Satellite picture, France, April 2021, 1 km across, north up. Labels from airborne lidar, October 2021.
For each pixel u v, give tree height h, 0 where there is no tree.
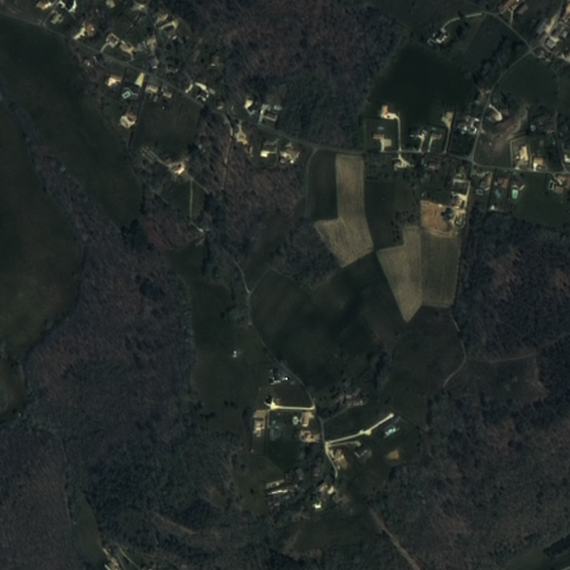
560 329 15
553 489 20
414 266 0
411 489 16
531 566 0
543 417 23
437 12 0
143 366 19
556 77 10
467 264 16
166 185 9
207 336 0
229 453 15
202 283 0
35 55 0
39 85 0
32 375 17
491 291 13
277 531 18
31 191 0
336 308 0
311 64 12
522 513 18
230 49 15
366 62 17
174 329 16
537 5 0
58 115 0
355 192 0
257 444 0
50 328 15
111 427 11
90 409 10
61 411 16
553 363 15
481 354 15
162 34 0
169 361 15
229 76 15
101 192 0
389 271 0
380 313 0
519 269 19
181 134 0
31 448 13
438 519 20
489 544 19
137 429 14
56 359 13
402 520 12
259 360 0
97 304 10
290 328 0
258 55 14
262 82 18
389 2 0
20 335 0
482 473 11
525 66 0
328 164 0
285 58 7
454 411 13
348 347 0
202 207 0
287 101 14
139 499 19
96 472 14
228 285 21
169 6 22
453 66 0
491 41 0
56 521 15
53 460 15
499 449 14
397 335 7
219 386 0
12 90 0
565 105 0
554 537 16
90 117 0
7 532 17
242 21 9
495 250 12
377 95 0
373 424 0
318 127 15
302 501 8
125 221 0
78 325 14
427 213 0
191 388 10
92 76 11
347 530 0
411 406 0
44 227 0
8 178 0
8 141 0
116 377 12
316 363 0
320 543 0
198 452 18
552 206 0
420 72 0
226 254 19
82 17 9
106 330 14
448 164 8
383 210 0
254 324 0
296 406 0
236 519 17
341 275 0
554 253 22
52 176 15
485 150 0
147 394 11
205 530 22
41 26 0
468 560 24
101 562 0
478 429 18
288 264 12
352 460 0
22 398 0
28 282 0
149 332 19
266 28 7
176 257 0
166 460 25
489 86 6
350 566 7
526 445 17
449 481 15
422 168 9
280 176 16
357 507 0
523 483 18
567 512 20
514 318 23
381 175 7
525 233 21
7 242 0
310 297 0
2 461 12
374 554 17
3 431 15
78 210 14
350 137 16
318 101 19
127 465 22
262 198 13
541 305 19
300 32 7
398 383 0
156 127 0
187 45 13
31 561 10
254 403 0
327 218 0
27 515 12
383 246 0
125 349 15
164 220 11
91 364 12
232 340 0
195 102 0
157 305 22
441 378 0
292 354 0
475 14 0
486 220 17
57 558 12
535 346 11
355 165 0
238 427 0
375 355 12
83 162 0
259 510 0
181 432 23
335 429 0
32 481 22
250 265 0
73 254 0
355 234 0
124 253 13
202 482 18
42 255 0
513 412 22
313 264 13
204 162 23
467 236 9
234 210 9
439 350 0
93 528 0
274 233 0
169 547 12
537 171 0
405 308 0
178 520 24
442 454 18
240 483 0
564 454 18
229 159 11
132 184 0
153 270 11
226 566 21
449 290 0
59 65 0
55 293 0
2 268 0
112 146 0
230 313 13
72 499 9
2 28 0
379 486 0
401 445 0
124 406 12
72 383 12
